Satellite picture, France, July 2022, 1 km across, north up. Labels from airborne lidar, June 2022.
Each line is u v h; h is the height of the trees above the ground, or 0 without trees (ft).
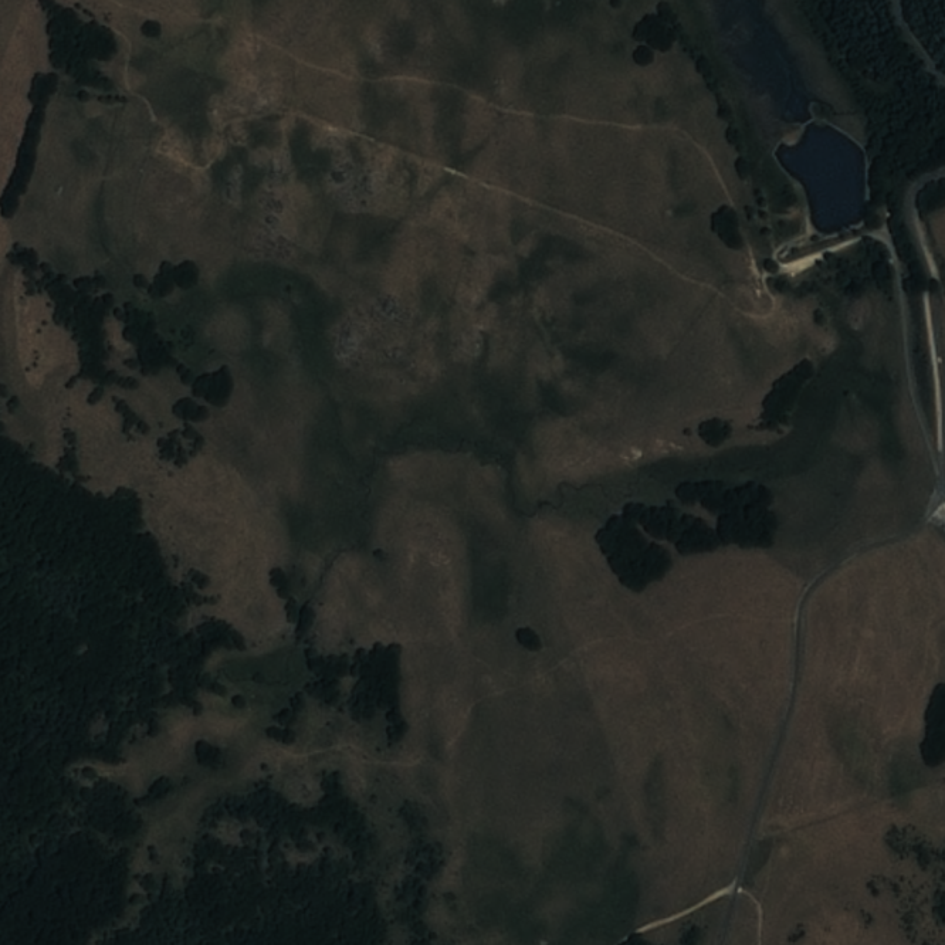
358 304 0
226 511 0
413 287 0
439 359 0
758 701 0
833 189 0
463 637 0
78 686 42
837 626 0
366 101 0
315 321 0
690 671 0
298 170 0
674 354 0
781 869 0
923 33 57
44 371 0
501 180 0
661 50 26
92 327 24
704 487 46
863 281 26
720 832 0
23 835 31
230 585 0
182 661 22
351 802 21
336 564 0
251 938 55
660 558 36
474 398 0
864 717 0
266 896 24
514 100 0
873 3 68
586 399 0
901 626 0
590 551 0
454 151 0
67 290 25
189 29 0
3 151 0
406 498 0
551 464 0
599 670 0
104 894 51
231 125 0
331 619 0
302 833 32
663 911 0
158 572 35
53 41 30
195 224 0
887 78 68
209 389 40
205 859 23
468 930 0
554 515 0
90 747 33
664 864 0
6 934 43
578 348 0
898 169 42
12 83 0
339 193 0
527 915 0
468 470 0
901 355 0
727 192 0
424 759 0
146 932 21
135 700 29
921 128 37
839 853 0
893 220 41
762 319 0
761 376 0
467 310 0
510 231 0
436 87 0
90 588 45
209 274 0
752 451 0
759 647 0
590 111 0
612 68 0
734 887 0
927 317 0
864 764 0
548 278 0
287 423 0
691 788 0
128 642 33
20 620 34
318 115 0
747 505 30
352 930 25
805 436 0
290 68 0
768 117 0
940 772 0
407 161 0
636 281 0
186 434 25
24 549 57
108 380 25
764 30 0
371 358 0
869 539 0
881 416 0
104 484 0
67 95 0
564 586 0
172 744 0
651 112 0
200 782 0
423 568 0
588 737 0
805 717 0
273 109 0
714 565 0
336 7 0
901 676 0
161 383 0
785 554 0
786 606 0
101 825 24
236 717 0
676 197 0
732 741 0
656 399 0
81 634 37
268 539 0
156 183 0
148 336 39
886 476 0
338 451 0
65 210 0
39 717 26
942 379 0
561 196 0
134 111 0
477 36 0
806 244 0
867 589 0
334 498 0
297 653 0
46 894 66
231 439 0
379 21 0
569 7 0
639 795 0
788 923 0
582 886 0
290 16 0
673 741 0
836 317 0
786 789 0
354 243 0
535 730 0
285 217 0
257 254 0
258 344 0
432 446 0
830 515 0
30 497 43
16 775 60
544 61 0
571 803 0
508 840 0
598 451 0
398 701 31
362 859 27
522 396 0
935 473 0
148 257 0
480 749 0
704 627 0
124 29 0
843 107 0
